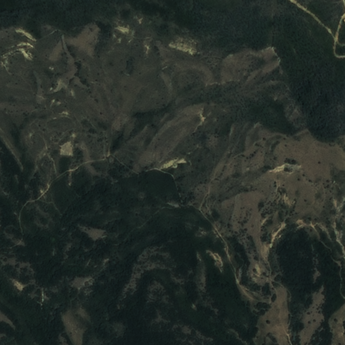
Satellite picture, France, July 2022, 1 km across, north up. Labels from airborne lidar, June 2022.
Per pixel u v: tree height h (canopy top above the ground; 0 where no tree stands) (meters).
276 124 11
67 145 0
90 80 0
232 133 0
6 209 8
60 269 8
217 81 0
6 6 0
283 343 0
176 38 0
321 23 0
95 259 6
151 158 0
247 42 8
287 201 0
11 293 7
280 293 0
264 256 0
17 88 0
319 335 6
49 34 0
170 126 0
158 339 8
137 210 0
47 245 8
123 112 0
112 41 0
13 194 8
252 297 0
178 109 0
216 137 6
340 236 0
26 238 6
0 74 0
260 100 7
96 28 0
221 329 8
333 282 10
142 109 0
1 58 0
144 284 6
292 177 0
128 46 0
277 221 0
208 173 0
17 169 7
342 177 0
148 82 0
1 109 0
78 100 0
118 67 0
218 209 0
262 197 0
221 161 0
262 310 7
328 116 16
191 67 0
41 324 13
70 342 9
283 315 0
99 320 9
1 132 0
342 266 7
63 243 8
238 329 12
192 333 6
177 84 0
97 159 0
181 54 0
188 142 0
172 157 0
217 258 0
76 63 6
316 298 0
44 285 12
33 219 7
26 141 0
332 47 0
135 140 0
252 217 0
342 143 0
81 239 7
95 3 8
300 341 6
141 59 0
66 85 0
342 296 0
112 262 6
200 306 9
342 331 0
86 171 0
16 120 0
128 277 6
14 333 9
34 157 0
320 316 0
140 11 0
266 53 0
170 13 10
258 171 0
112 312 8
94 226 8
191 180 0
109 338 7
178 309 6
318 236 0
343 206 0
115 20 0
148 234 6
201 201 0
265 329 0
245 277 8
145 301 9
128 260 7
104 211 7
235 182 0
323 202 0
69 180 0
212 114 0
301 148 0
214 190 0
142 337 11
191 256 7
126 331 8
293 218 0
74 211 8
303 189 0
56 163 0
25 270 9
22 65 0
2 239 7
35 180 8
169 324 6
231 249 0
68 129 0
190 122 0
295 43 16
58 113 0
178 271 6
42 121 0
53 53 0
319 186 0
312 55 22
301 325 6
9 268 9
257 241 0
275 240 0
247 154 0
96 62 0
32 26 0
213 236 0
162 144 0
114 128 0
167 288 7
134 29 0
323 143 0
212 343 5
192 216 0
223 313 9
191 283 6
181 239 6
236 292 12
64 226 8
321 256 6
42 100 0
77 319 0
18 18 11
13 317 8
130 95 0
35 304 6
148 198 6
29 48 0
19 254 6
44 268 13
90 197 9
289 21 17
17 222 7
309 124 8
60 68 0
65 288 7
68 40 0
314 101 15
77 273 6
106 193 8
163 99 8
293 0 0
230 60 0
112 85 0
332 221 0
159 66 0
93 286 6
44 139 0
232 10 0
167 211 0
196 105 0
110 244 9
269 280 0
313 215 0
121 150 0
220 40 9
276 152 0
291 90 8
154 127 10
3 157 9
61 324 9
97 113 0
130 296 6
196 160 0
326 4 0
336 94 16
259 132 0
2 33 0
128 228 8
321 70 19
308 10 0
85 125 0
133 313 9
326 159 0
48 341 17
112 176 7
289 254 7
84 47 0
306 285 8
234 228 0
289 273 6
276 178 0
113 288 7
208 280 7
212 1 0
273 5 0
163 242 7
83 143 0
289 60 14
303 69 11
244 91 0
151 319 6
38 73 0
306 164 0
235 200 0
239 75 0
